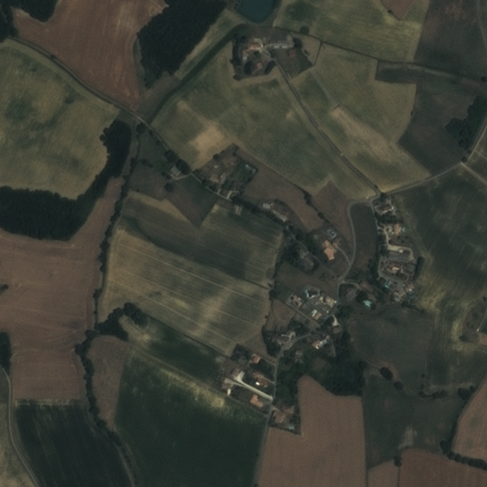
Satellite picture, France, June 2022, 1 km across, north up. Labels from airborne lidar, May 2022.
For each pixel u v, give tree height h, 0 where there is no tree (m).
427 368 0
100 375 0
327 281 0
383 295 6
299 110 0
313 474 0
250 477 0
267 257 0
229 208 0
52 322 0
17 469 0
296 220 0
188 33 22
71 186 0
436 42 0
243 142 0
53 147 0
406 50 0
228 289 0
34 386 0
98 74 0
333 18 0
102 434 0
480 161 0
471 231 0
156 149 0
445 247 0
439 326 0
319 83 0
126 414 0
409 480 0
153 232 0
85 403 0
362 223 0
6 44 0
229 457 0
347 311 12
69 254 0
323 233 0
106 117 0
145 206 0
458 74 0
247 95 0
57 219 11
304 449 0
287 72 0
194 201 0
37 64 0
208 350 0
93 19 0
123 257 0
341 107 0
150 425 0
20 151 0
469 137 6
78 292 0
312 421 0
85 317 0
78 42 0
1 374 0
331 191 0
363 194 0
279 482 0
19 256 0
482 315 0
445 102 0
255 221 0
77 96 0
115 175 12
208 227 0
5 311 0
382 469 0
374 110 0
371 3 0
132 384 0
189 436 0
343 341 7
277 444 0
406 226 0
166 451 0
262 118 0
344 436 0
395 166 0
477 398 0
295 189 0
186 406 0
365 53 0
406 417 0
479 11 0
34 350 0
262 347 0
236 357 8
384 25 0
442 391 8
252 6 0
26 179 0
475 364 0
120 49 0
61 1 0
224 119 0
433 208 0
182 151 0
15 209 13
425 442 0
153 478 0
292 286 0
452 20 0
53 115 0
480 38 0
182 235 0
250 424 0
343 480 0
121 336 15
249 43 0
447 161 0
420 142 0
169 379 0
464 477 0
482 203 0
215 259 0
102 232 0
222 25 0
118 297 0
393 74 0
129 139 12
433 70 0
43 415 0
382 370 15
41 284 0
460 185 0
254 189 0
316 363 0
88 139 0
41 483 0
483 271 0
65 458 0
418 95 0
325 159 0
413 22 0
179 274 0
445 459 0
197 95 0
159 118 0
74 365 0
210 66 0
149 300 0
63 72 0
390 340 0
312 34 0
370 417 0
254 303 0
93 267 0
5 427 0
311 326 0
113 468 0
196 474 0
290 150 0
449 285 0
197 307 0
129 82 0
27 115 0
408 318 0
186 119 0
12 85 0
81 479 0
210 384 0
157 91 0
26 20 0
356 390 6
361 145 0
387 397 0
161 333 0
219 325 0
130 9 0
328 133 0
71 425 0
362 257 0
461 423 0
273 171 0
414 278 5
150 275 0
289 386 9
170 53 8
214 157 10
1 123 0
